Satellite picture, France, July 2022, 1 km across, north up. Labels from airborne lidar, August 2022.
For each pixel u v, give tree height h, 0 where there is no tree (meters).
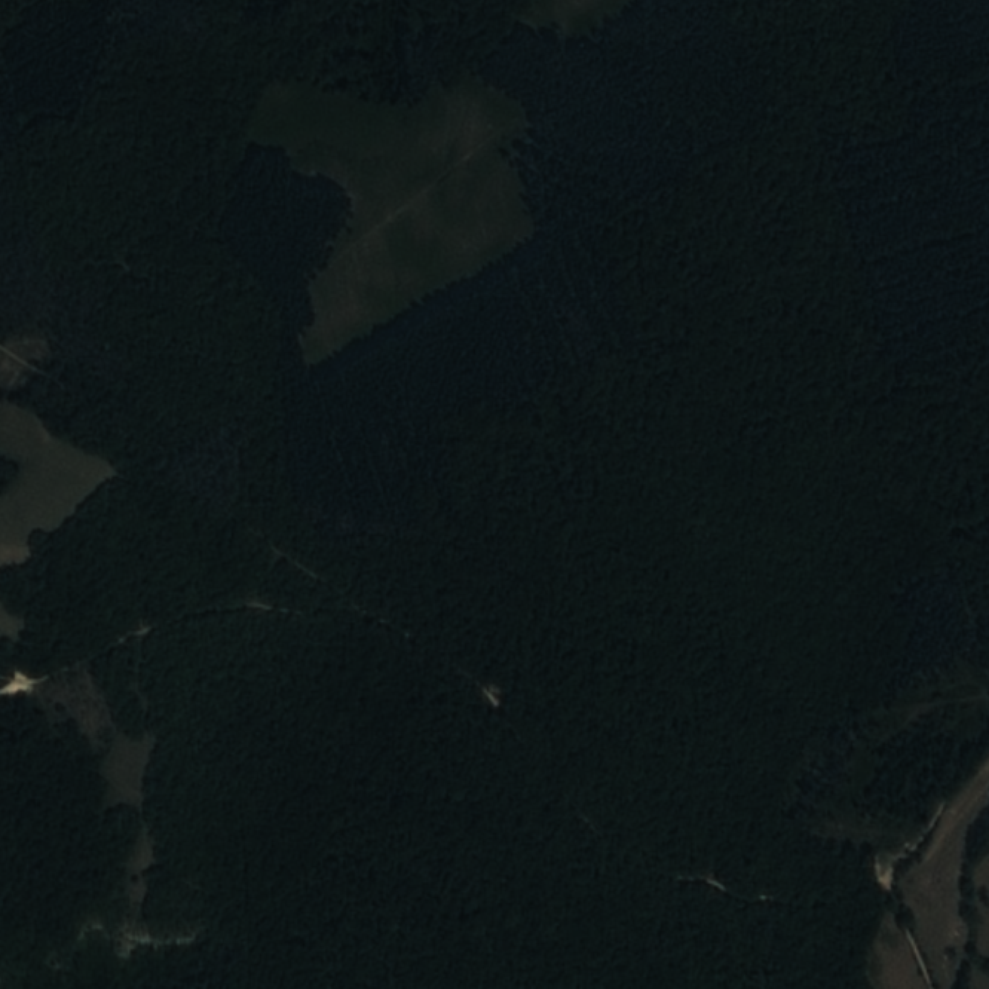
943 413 20
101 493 8
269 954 14
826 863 16
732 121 15
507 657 14
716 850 12
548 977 15
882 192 16
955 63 23
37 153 14
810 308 16
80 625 10
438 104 0
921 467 20
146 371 13
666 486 12
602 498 16
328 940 16
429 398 20
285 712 11
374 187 0
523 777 14
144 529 9
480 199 0
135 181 15
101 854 12
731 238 18
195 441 20
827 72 12
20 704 17
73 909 12
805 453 12
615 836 13
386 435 20
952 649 28
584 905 16
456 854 16
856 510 15
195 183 20
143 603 7
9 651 11
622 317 18
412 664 16
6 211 12
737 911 14
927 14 21
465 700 16
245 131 19
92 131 16
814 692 13
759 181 16
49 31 9
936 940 0
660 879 14
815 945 21
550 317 22
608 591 16
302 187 23
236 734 12
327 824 17
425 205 0
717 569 11
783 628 12
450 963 13
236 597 9
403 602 14
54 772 15
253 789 16
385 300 0
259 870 16
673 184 20
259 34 16
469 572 16
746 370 14
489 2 22
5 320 13
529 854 15
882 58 14
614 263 19
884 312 23
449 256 0
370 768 21
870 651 18
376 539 12
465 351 20
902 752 13
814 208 17
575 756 14
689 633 12
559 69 23
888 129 15
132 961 14
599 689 20
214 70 15
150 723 9
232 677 11
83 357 13
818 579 13
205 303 12
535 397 16
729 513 12
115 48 13
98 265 9
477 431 15
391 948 17
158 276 12
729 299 16
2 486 15
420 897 18
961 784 12
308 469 22
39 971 16
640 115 22
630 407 10
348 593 11
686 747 14
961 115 21
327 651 13
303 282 21
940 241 27
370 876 15
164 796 10
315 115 0
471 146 0
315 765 16
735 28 22
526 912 15
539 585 17
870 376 19
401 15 9
